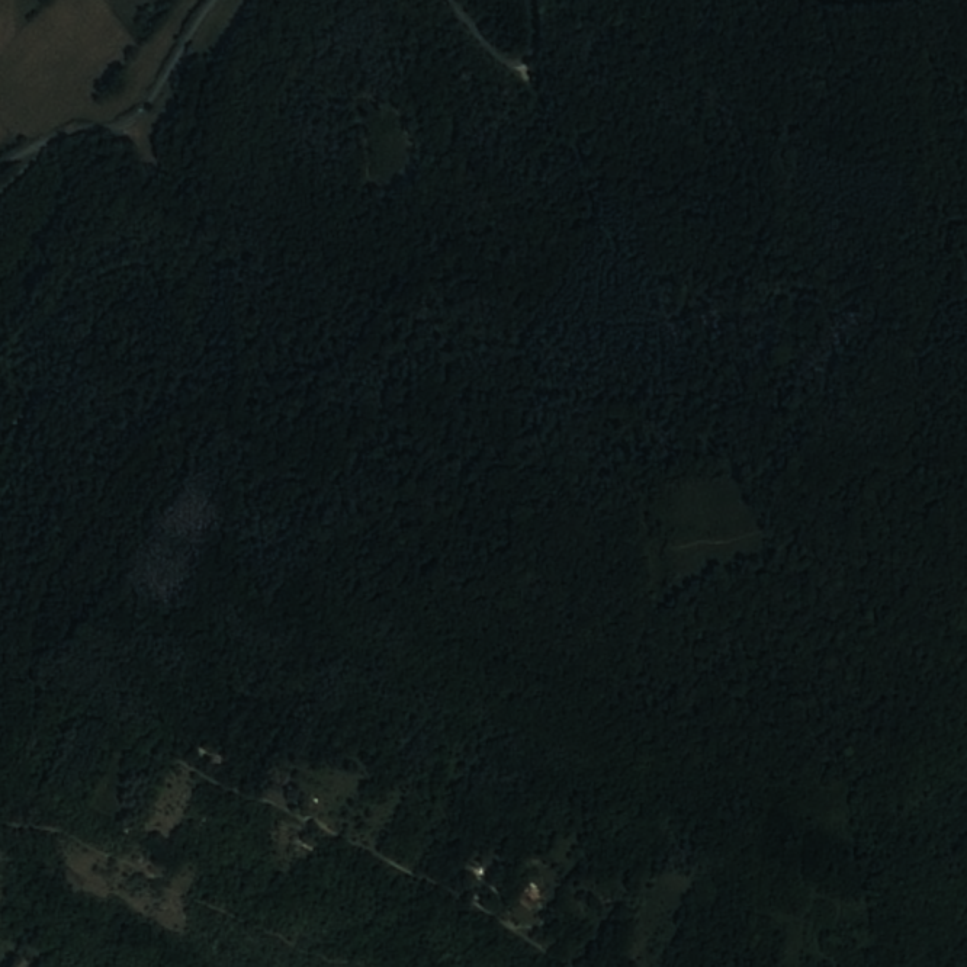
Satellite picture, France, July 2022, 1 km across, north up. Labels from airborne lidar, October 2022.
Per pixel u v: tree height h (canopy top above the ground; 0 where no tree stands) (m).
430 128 16
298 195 15
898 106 20
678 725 23
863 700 18
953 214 19
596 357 34
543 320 20
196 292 22
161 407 20
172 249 13
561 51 23
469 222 21
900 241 20
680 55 21
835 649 19
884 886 20
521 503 22
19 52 0
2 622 16
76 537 14
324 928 6
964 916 6
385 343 26
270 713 21
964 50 18
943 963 16
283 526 25
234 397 27
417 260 22
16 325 7
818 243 21
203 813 8
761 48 21
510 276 26
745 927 19
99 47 0
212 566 21
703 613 24
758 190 24
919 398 19
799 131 26
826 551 21
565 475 23
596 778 16
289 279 23
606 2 22
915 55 21
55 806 9
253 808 8
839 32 20
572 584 20
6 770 16
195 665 18
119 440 22
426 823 7
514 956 8
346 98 15
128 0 0
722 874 14
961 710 13
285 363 24
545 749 15
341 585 15
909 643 18
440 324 19
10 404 24
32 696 16
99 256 14
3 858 17
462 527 14
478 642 19
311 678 19
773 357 31
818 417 21
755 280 24
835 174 20
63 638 12
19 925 15
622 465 31
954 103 19
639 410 25
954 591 15
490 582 22
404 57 19
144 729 14
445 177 20
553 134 21
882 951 14
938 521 18
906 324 27
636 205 19
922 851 19
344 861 10
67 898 15
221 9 0
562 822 17
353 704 19
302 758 12
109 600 23
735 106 22
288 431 29
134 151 21
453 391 26
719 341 22
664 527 13
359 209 20
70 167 21
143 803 21
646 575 20
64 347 18
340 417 31
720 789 16
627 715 17
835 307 28
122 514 10
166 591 23
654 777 12
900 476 17
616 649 16
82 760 24
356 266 11
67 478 24
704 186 26
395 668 13
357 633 12
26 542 23
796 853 11
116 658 15
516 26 13
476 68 18
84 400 24
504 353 9
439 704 18
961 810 16
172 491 10
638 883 15
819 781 13
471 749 16
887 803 16
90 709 17
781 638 22
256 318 21
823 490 17
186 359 18
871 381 25
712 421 26
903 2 21
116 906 8
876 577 16
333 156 25
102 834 8
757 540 0
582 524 19
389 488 27
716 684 22
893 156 19
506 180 24
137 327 18
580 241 26
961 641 19
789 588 21
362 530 19
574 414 24
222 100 16
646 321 23
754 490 23
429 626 16
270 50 15
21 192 9
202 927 6
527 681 14
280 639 25
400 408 27
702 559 0
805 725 19
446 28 13
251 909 7
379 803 8
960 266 20
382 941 13
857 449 19
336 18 11
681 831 16
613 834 14
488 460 24
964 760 8
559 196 18
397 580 18
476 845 12
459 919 11
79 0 0
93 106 0
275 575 26
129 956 6
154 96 0
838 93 22
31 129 0
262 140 12
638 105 20
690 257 22
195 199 26
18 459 6
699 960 18
